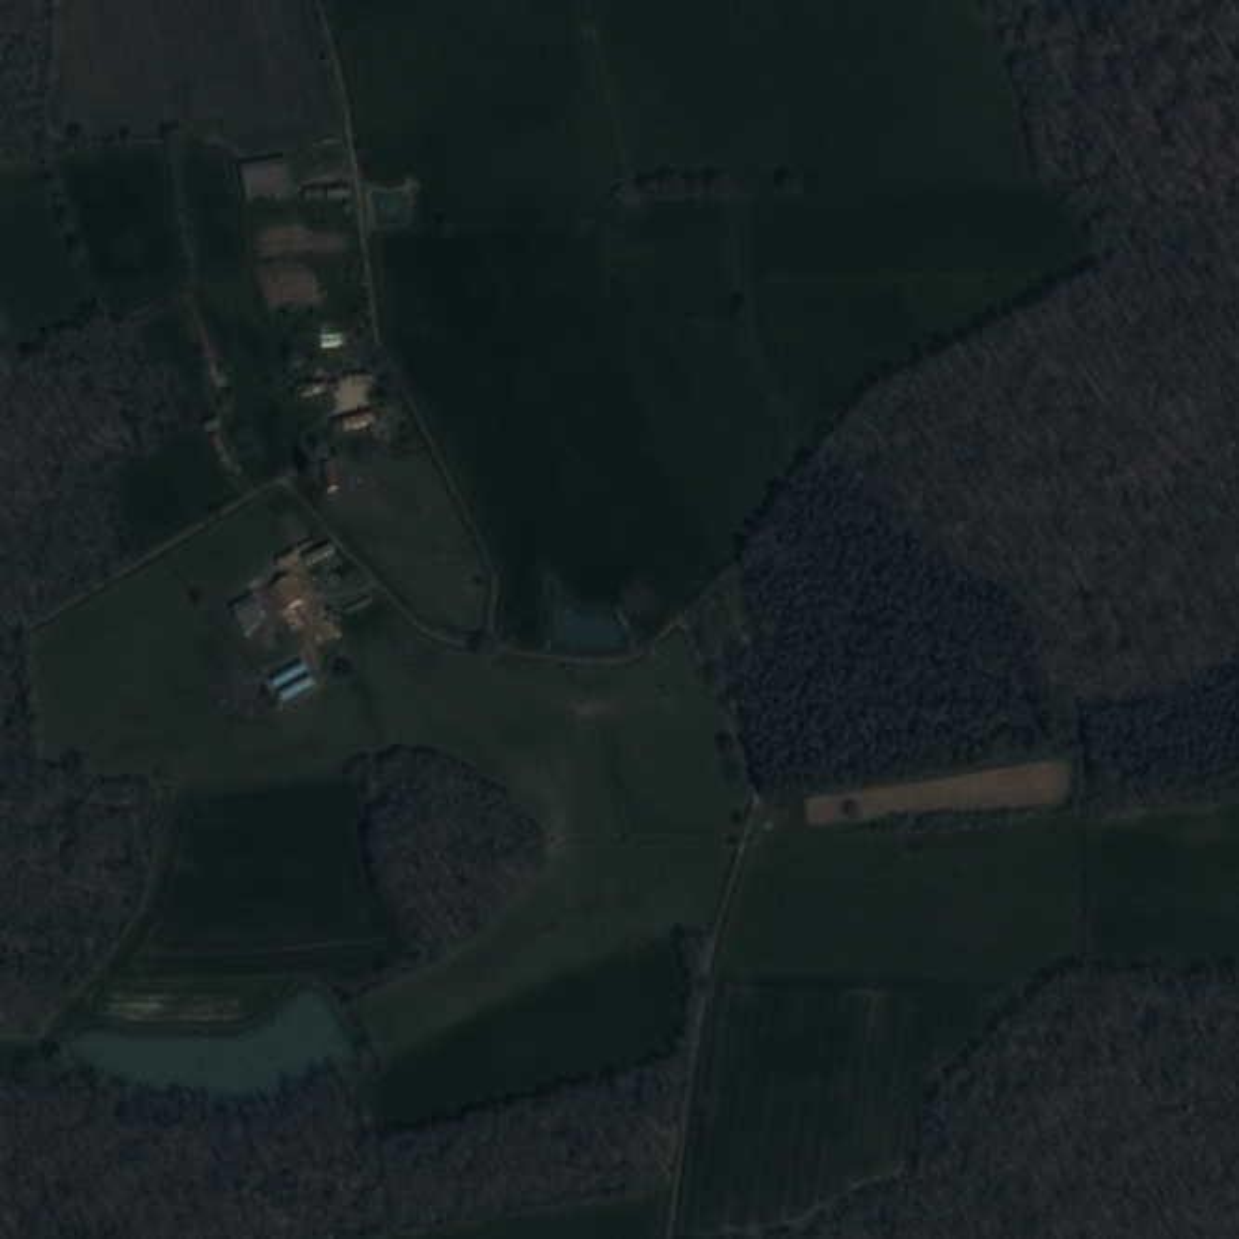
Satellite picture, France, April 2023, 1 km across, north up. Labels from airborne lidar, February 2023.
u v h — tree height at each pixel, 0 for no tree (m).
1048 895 0
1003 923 0
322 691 0
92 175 0
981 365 18
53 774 17
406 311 0
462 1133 18
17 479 17
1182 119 26
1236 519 29
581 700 0
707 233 0
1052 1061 18
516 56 0
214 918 0
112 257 0
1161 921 0
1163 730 20
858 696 24
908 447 23
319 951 0
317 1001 0
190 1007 0
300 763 0
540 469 0
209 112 0
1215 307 27
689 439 0
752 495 0
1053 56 17
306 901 0
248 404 0
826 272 0
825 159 0
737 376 0
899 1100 0
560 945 0
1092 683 23
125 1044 0
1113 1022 25
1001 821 7
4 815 19
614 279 0
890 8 0
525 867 23
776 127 0
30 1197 29
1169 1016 17
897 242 0
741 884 0
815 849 0
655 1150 18
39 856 21
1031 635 22
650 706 0
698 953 20
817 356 0
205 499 0
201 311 0
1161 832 0
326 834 0
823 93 0
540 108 0
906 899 0
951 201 0
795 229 0
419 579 0
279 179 0
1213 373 24
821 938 0
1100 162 26
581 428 0
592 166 0
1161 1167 21
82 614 0
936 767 17
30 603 22
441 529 0
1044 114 18
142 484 0
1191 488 26
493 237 0
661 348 0
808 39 0
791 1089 0
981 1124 21
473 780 14
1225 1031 23
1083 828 0
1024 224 0
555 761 0
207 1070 0
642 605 0
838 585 23
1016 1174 20
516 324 0
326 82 0
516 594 0
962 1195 21
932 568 24
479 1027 0
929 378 22
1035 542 24
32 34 22
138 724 0
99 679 0
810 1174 0
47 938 20
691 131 0
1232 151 25
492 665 17
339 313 0
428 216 0
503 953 0
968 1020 0
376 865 21
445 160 0
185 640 0
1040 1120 24
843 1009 0
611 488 0
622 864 0
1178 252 21
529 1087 0
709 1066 0
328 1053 0
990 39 0
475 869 28
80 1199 25
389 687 0
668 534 0
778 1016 0
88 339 24
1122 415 24
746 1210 0
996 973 0
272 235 0
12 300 0
